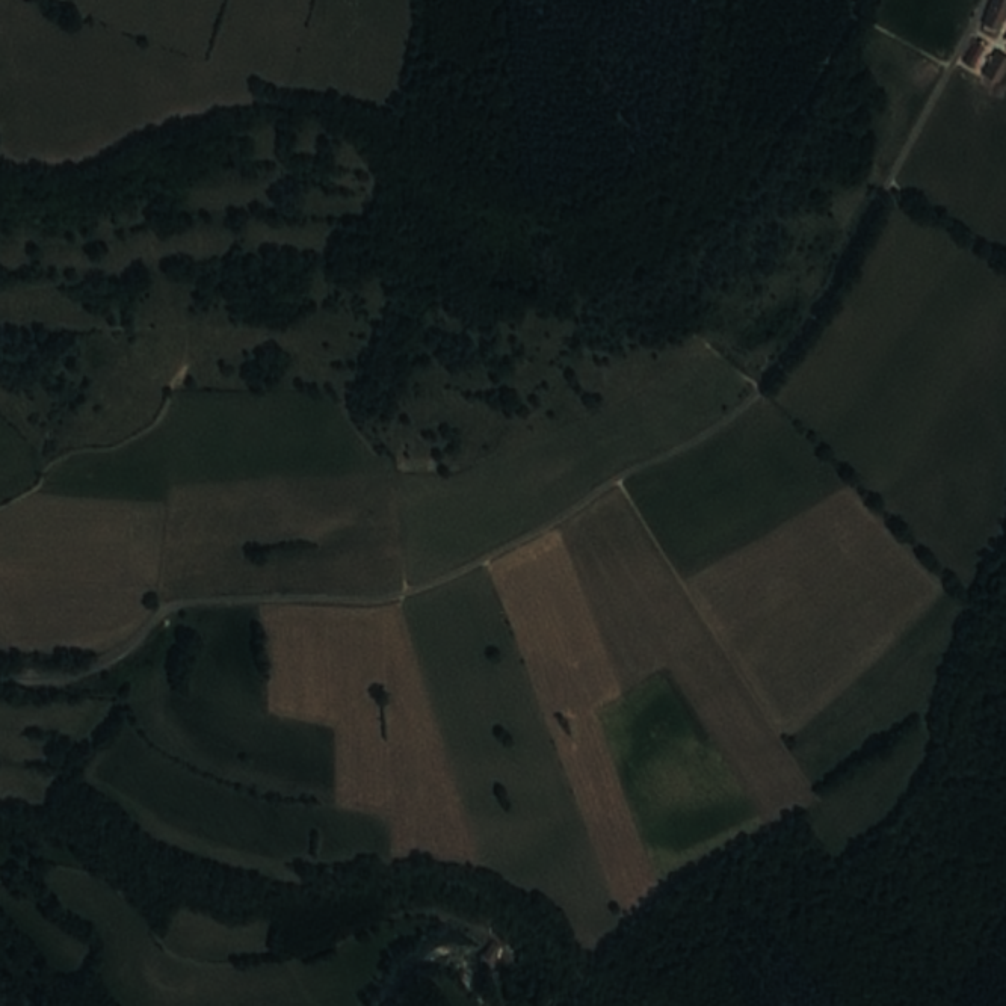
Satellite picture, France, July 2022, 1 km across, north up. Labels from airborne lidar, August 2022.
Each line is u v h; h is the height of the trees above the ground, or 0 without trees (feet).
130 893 43
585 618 0
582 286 51
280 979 0
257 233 0
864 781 0
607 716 0
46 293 0
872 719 0
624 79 103
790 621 0
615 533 0
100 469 0
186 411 0
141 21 0
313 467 0
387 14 0
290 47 0
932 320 0
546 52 60
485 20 35
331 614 0
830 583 0
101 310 33
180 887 63
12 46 0
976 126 0
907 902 45
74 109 0
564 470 0
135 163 70
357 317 19
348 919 49
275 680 0
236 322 35
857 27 68
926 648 0
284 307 52
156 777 0
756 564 0
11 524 0
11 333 62
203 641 53
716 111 69
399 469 0
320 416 0
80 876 0
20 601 0
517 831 0
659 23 103
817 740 0
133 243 0
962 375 0
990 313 0
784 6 66
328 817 0
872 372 0
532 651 0
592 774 0
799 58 65
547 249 65
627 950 47
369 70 0
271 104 36
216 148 53
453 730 0
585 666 0
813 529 0
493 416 0
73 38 0
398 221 70
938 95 0
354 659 0
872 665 0
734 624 0
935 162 0
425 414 0
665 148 73
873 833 36
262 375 52
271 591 0
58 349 78
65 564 0
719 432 0
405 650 0
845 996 44
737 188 63
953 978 62
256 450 0
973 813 58
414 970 36
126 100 0
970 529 0
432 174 78
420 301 33
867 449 0
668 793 0
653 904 52
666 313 62
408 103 49
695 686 0
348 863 27
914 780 36
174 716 0
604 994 38
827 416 0
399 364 72
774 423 0
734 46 78
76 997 76
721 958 50
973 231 35
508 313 69
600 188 55
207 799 0
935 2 0
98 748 34
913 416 0
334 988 0
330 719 0
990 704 60
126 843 59
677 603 0
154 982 0
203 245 0
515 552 0
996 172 0
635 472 0
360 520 0
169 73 0
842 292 45
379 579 0
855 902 72
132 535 0
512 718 0
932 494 0
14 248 0
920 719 22
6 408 0
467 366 45
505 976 61
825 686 0
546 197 61
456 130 57
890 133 0
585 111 71
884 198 59
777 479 0
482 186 46
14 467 0
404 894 52
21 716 0
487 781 0
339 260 71
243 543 0
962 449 0
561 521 0
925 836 60
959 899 43
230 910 64
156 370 0
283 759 0
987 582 25
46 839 69
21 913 0
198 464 0
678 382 0
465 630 0
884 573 0
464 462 0
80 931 48
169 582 0
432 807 0
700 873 62
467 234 77
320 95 39
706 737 0
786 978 82
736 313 0
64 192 53
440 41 20
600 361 46
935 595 0
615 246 62
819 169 69
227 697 0
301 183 71
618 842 0
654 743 0
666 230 64
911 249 0
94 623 0
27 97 0
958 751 59
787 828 52
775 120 47
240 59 0
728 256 61
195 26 0
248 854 0
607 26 102
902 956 58
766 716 0
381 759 0
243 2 0
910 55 0
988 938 50
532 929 87
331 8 0
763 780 0
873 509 45
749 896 57
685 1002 42
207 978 0
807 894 71
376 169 51
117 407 0
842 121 41
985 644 67
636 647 0
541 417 0
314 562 0
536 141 45
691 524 0
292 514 0
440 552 0
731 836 0
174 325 0
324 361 0
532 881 0
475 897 50
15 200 23
